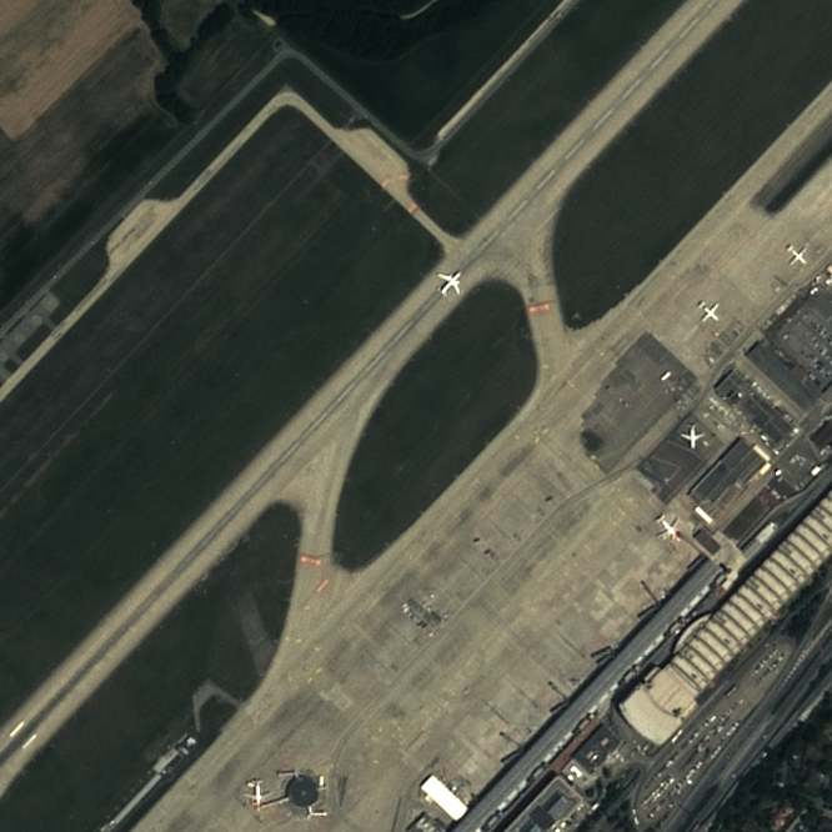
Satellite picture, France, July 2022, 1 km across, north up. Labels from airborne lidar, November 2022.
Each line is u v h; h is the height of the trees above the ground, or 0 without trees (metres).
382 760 0
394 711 0
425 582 0
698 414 0
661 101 0
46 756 0
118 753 0
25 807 0
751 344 0
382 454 0
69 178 0
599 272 0
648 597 0
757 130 0
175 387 0
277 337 0
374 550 0
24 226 0
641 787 0
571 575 0
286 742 0
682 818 0
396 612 0
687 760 0
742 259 0
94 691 0
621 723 0
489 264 0
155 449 0
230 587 0
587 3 0
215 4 0
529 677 0
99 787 0
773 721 0
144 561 0
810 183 0
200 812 0
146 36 0
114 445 0
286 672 0
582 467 0
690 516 0
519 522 0
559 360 0
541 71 0
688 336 0
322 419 0
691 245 0
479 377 0
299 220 0
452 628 0
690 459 0
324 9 25
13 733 0
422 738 0
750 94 0
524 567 0
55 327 0
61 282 0
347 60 0
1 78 0
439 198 0
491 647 0
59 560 0
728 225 0
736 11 0
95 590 0
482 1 10
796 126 0
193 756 0
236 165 0
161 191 0
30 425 0
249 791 0
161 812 0
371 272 0
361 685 0
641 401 0
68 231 0
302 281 0
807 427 0
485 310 0
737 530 0
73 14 0
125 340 0
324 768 0
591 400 0
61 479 0
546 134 0
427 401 0
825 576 7
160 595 0
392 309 0
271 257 0
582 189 0
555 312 0
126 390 0
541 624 0
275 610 0
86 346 0
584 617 0
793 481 0
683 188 0
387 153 0
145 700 0
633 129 0
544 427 0
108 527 0
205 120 0
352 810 0
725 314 0
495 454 0
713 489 0
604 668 0
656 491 0
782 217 0
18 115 0
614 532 0
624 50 0
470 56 0
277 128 0
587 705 0
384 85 0
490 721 0
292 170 0
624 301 0
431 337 0
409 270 0
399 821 0
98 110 0
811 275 0
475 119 0
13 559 0
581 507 0
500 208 0
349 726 0
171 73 12
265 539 0
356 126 0
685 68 0
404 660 0
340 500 0
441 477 0
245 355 0
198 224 0
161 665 0
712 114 0
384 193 0
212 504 0
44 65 0
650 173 0
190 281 0
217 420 0
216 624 0
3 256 0
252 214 0
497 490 0
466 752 0
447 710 0
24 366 0
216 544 0
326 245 0
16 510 0
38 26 0
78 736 0
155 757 0
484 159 0
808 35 0
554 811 0
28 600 0
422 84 0
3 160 0
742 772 0
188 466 0
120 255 0
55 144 0
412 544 0
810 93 0
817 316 0
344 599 0
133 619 0
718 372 0
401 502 0
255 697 0
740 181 0
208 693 0
